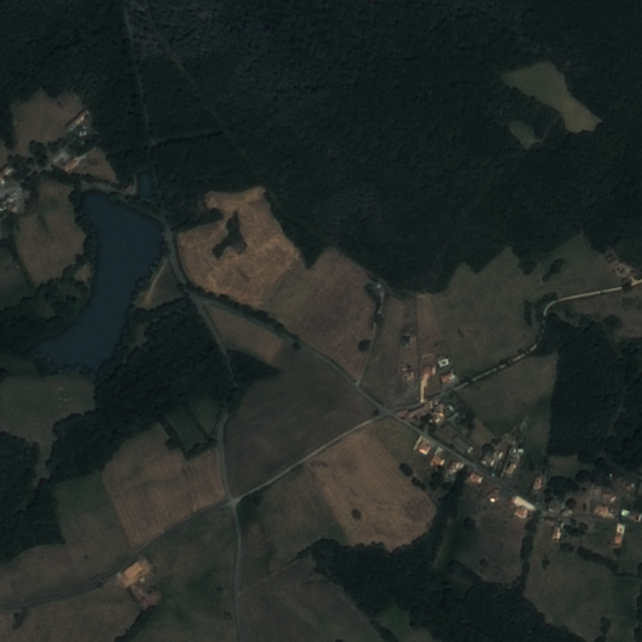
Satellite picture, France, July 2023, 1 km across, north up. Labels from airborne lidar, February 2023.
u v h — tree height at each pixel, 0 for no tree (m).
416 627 15
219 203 0
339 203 16
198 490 0
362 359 0
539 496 0
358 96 19
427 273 6
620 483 0
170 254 14
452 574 11
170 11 10
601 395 9
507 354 0
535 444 0
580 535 15
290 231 13
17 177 9
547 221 16
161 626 0
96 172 0
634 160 23
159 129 17
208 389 12
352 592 15
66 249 0
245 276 0
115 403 20
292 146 17
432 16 21
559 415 12
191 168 19
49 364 6
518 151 10
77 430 17
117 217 0
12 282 0
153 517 0
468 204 11
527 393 0
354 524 0
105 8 25
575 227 17
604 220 8
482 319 0
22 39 19
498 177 7
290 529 0
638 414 18
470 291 0
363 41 7
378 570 11
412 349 0
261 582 0
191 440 0
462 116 19
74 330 0
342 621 0
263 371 8
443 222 10
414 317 0
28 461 14
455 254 8
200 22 13
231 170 10
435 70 22
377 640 0
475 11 8
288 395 0
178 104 16
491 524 0
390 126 12
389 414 0
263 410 0
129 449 0
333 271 0
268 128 9
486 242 8
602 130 15
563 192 21
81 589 0
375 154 9
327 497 0
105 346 0
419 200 6
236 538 0
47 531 11
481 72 20
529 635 13
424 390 0
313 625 0
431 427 9
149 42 19
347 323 0
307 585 0
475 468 0
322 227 8
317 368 0
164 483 0
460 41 9
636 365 17
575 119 0
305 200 16
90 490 0
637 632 10
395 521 0
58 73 15
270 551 0
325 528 0
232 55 14
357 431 0
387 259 10
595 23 17
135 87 6
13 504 20
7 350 18
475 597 13
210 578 0
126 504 0
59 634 0
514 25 13
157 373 17
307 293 0
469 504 0
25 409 0
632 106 15
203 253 0
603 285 0
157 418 17
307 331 0
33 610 0
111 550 0
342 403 0
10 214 7
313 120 6
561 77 0
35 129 0
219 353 15
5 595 0
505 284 0
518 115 10
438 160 9
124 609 0
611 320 10
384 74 20
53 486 21
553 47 10
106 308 0
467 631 7
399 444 0
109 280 0
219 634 0
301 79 9
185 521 0
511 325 0
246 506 0
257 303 0
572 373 12
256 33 28
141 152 8
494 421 0
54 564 0
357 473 0
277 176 17
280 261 0
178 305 16
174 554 0
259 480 0
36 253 0
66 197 0
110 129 15
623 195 15
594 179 21
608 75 16
